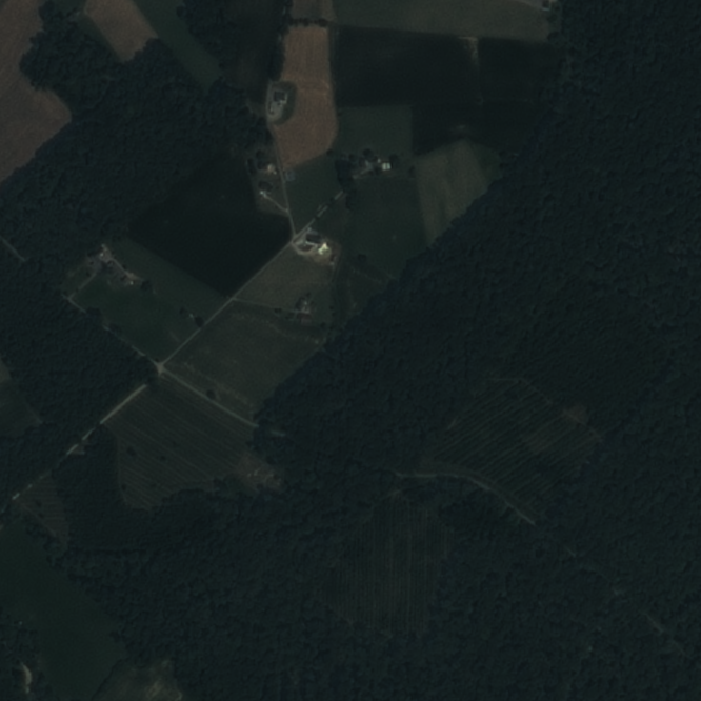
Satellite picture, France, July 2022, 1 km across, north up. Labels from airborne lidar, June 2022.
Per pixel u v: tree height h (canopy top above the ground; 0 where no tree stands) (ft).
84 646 0
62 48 64
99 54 79
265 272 0
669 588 86
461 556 89
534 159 90
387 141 0
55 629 0
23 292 67
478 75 0
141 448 0
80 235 95
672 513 71
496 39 0
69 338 77
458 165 0
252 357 0
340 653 84
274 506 87
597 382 32
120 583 56
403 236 0
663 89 94
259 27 0
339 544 73
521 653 88
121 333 69
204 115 83
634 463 90
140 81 77
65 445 73
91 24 0
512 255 99
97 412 60
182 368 0
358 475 84
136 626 33
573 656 76
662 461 86
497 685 73
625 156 86
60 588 0
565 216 95
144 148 97
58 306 82
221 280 0
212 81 0
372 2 0
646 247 85
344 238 0
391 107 0
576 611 78
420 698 78
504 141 0
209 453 0
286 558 99
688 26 73
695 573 78
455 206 0
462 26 0
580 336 32
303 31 0
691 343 87
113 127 78
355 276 0
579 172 94
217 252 0
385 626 20
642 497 73
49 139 0
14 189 77
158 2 0
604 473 74
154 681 0
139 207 92
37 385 85
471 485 70
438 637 92
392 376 98
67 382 72
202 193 0
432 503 86
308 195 0
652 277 83
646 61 93
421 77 0
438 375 73
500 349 86
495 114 0
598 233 79
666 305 89
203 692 55
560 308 27
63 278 59
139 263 0
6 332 75
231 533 68
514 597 87
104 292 0
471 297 107
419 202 0
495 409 19
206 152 85
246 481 0
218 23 74
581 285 35
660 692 62
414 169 23
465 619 89
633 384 25
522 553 95
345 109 0
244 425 0
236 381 0
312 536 94
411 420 63
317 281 0
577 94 101
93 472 45
